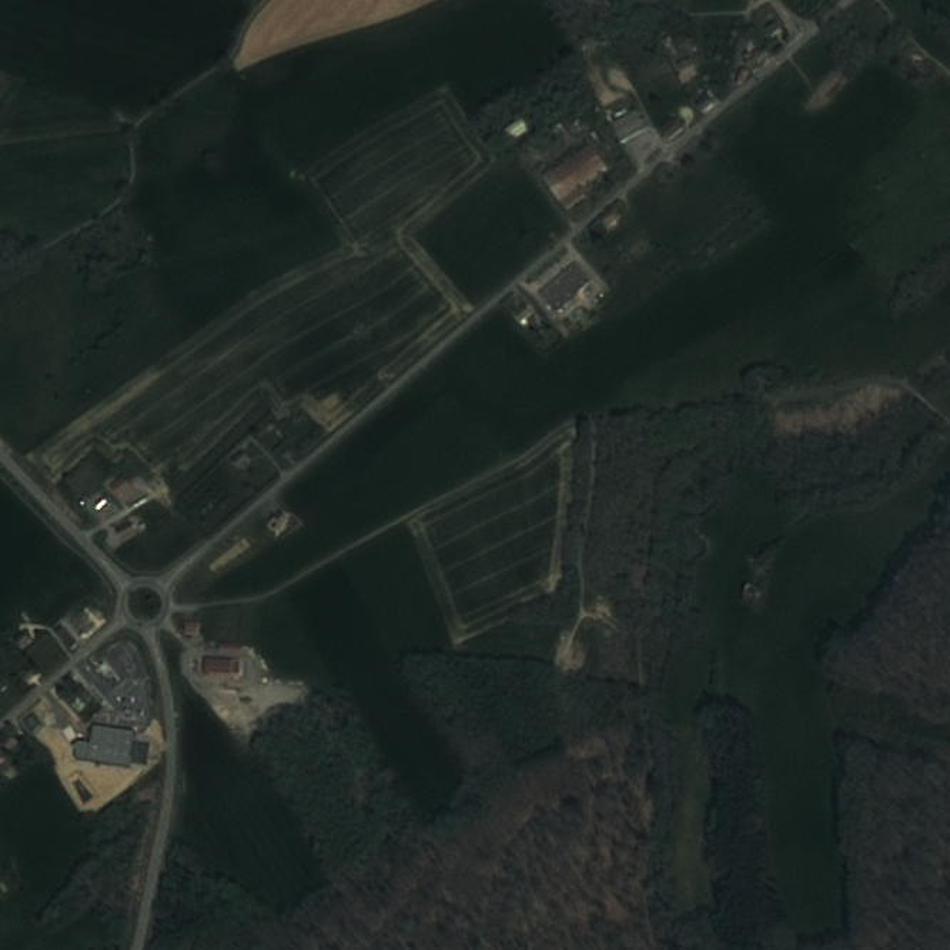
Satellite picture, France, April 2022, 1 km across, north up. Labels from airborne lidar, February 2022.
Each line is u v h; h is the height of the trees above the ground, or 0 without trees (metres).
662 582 22
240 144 0
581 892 27
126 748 0
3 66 0
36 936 0
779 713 0
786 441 0
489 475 0
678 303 0
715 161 0
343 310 0
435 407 0
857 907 27
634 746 13
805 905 0
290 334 0
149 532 0
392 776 26
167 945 14
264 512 0
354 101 0
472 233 0
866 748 26
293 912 17
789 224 0
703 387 0
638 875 26
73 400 0
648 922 27
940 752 0
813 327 0
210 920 18
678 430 24
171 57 0
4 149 0
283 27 0
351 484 0
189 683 0
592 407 0
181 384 0
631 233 0
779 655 0
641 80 0
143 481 0
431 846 18
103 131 0
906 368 0
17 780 0
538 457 0
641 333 0
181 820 0
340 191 0
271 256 0
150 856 0
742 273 0
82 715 0
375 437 0
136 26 0
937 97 0
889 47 17
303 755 22
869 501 12
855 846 28
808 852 0
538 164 0
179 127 0
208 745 0
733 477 6
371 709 0
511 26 0
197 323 0
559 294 0
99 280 22
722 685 8
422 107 0
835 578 0
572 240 0
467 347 0
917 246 0
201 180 0
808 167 0
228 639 0
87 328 0
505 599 0
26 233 0
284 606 0
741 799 28
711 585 0
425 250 0
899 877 32
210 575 0
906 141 0
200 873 23
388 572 0
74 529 0
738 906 28
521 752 18
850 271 0
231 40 0
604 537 20
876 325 0
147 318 0
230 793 0
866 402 0
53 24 0
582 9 28
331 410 0
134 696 0
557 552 0
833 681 20
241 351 0
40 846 0
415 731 0
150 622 0
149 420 0
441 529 0
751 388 20
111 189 0
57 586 0
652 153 0
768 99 0
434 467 0
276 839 0
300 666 0
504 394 0
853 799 28
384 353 0
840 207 0
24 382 0
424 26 0
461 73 0
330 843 19
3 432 0
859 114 0
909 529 0
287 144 0
